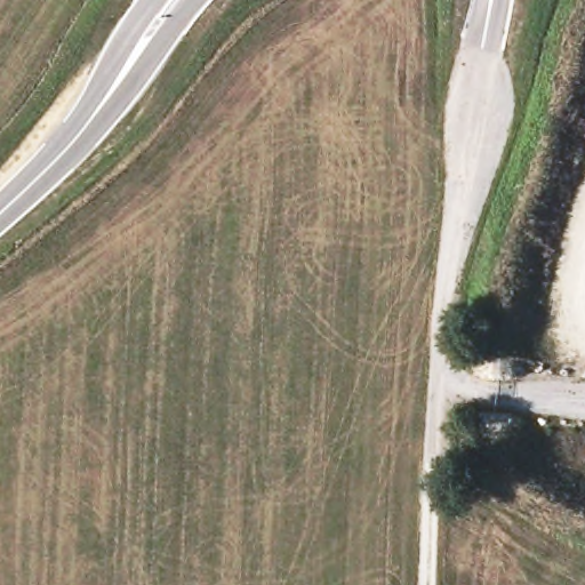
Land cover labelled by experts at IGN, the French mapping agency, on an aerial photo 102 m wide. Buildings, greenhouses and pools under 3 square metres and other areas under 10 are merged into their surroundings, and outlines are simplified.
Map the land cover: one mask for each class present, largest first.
<instances>
[{"label":"agricultural land","instance_id":"1","mask_svg":"<svg viewBox=\"0 0 585 585\"><path fill-rule=\"evenodd\" d=\"M69 7V0H0V98L5 103H11L14 91L25 80L27 64L37 57L39 48L50 39L53 27L59 23V16ZM427 7L425 0H270L261 5L256 11H251L229 34V39L215 50V55L208 62L201 59V55L194 53L185 39L178 43V48L174 50L155 82L146 89V94L110 133V137L78 167V171H73L62 187H57L43 203H39L27 217H23L9 233L0 231V585H418L423 494L420 478L425 475L420 464L430 382L427 334L434 304L436 261L446 199L443 135H430L425 107H414V78L427 71V37H418L416 16ZM436 585H585V555L578 553L574 546L551 539L548 532L526 530L523 535L507 537L500 528L482 523L468 514L457 519L439 516Z\"/></svg>","mask_w":585,"mask_h":585},{"label":"pervious surface","instance_id":"2","mask_svg":"<svg viewBox=\"0 0 585 585\"><path fill-rule=\"evenodd\" d=\"M523 199L528 201V208L519 226H507L505 247L496 261L491 288L473 304L489 324L487 350L482 352L489 359V363L466 370H452L446 354L439 352V329L443 311L434 304L427 334L430 382L420 464L425 475L420 478L423 494L418 585H436L439 516L430 505L427 491L434 459L448 450V439L441 432V425L448 411H452L466 427L473 430L475 446H471L468 450L487 468L484 491L491 498L475 503L468 514L482 523L500 528L507 537L523 535L526 530L548 532L551 539L574 546L578 553L585 555V475L567 466L560 441L551 434L546 436L542 425H546V418L551 414L560 418L562 427H576L585 420V0H578L571 14L569 30L562 37V59L553 78L548 119L542 133V149L537 151V158L526 176Z\"/></svg>","mask_w":585,"mask_h":585},{"label":"impervious surface","instance_id":"3","mask_svg":"<svg viewBox=\"0 0 585 585\"><path fill-rule=\"evenodd\" d=\"M215 0H133L112 27L96 59L82 66V71L66 85V89L57 96L53 107L39 119V123L23 139V144L0 165V231L9 233L23 217H27L39 203H43L57 187H62L73 171H78V167L110 137V133L146 94V89L155 82L174 50L178 48V43L185 39L192 25ZM514 0H471L462 27L459 53L455 57V69L448 87L443 135L446 199L436 261L434 304L443 311L455 302V288L475 233L478 217L489 194L494 174L500 165L514 117L512 75L503 59V53L510 37Z\"/></svg>","mask_w":585,"mask_h":585},{"label":"herbaceous vegetation","instance_id":"4","mask_svg":"<svg viewBox=\"0 0 585 585\"><path fill-rule=\"evenodd\" d=\"M133 0H69V7L59 16V23L53 27L50 39L39 48L37 57L27 64L25 80L14 91L11 103H5L0 98V165L23 144V139L39 123V119L53 107L57 96L66 89V85L82 71V66L96 59L112 27ZM270 0H215L192 25L185 39L194 53L201 55V59L208 62L215 55V50L229 39V34L251 11H256L261 5ZM427 7L416 16L418 37H427V71L414 78V107H425L430 135H443L448 87L455 69V57L459 53L462 27L471 0H425ZM578 0H514L510 37L503 53V59L512 75L514 117L500 165L494 174L489 194L478 217L475 233L455 288V302L473 304L491 288L496 261L505 247L507 226H519L528 208V201L523 199L526 176L537 158V151L542 149V133L548 119L553 78L562 59V37L569 30L571 14ZM546 436L551 434L560 441L567 466L585 475V420L576 427H562L560 418L551 414L546 418V425H542Z\"/></svg>","mask_w":585,"mask_h":585},{"label":"deciduous trees","instance_id":"5","mask_svg":"<svg viewBox=\"0 0 585 585\"><path fill-rule=\"evenodd\" d=\"M489 324L473 304L455 302L443 311L439 329V352L446 354L452 370H466L489 363V359L482 352L487 350ZM441 432L448 439V450L434 459L427 491L430 505L439 516L457 519L468 514L475 503L491 498L484 491L487 468L468 450L471 446H475L473 430L466 427L452 411H448L441 425Z\"/></svg>","mask_w":585,"mask_h":585}]
</instances>
